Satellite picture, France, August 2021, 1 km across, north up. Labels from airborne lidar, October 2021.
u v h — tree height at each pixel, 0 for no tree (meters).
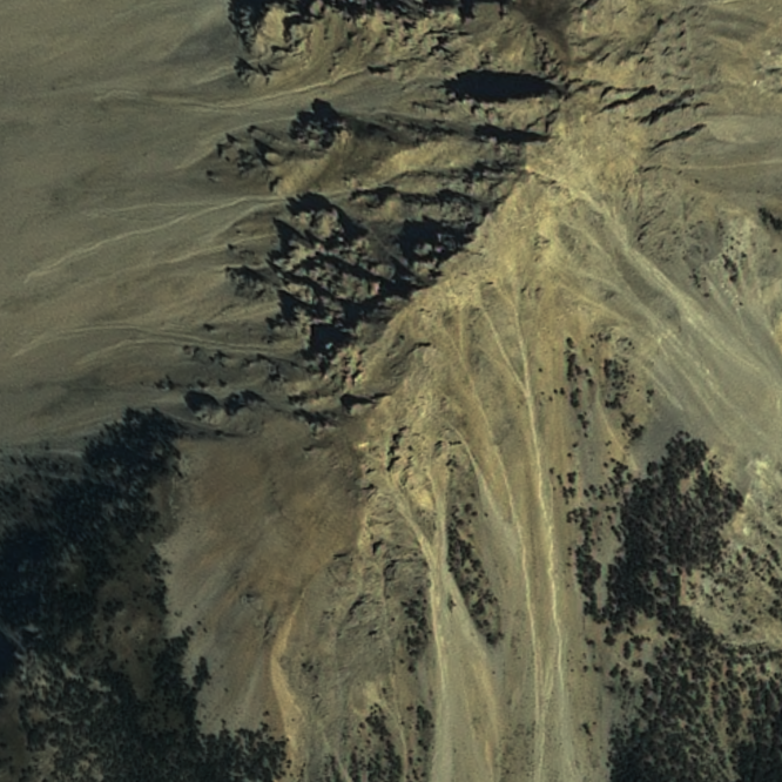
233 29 0
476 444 0
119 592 0
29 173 0
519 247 0
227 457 0
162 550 0
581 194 0
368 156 0
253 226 0
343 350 0
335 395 0
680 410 0
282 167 0
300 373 0
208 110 0
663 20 0
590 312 0
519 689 0
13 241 0
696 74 0
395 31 0
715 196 0
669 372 0
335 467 0
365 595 0
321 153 0
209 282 0
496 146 0
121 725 7
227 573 0
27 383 0
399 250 0
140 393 0
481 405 0
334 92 0
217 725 0
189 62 0
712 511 9
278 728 0
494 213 0
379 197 0
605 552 0
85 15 0
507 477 0
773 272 0
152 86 0
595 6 0
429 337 0
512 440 0
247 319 0
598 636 0
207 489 0
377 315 0
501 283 0
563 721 0
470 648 0
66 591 9
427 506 0
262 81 0
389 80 0
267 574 0
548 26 0
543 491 0
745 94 0
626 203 0
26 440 0
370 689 0
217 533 0
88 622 11
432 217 0
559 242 0
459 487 0
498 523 0
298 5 0
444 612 0
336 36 0
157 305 0
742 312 0
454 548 9
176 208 0
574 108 0
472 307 0
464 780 0
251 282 0
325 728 0
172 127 0
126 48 0
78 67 0
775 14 0
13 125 0
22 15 0
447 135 0
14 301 0
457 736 0
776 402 0
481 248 0
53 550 7
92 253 0
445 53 0
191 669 0
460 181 0
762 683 8
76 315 0
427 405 0
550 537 0
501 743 0
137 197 0
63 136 0
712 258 0
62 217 0
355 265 0
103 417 0
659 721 7
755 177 0
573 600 0
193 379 0
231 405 0
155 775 9
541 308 0
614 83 0
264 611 0
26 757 0
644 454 0
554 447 0
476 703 0
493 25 0
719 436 0
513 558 0
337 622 0
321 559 0
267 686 0
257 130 0
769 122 0
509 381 0
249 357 0
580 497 0
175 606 0
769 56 0
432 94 0
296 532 0
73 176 0
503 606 0
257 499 0
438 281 0
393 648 0
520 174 0
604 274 0
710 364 0
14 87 0
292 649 0
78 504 9
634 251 0
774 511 0
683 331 0
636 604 12
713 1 0
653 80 0
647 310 0
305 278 0
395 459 0
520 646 0
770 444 0
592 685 0
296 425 0
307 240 0
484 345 0
